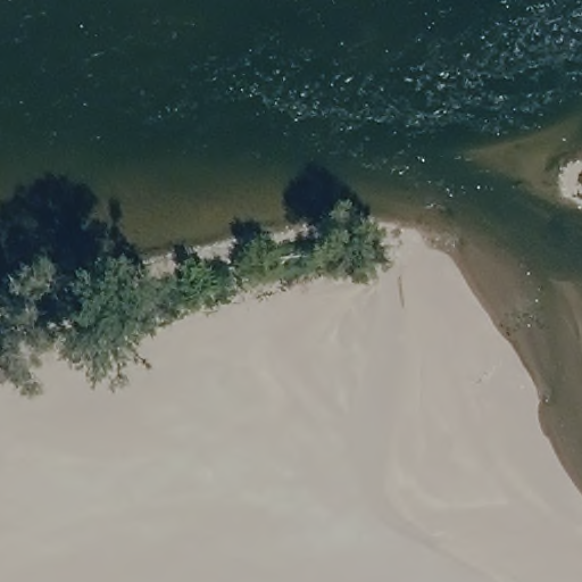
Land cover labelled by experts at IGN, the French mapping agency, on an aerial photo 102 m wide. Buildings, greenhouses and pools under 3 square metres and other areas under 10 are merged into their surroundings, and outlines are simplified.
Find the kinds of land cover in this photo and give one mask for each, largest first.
<instances>
[{"label":"water","instance_id":"1","mask_svg":"<svg viewBox=\"0 0 582 582\"><path fill-rule=\"evenodd\" d=\"M571 161H582V0H0V305L5 302V293L11 289L9 280L23 271V266H34L39 264V259H50L55 268L59 273H66L68 268L77 273H89L100 259L127 257L132 259V264L143 261L173 252L175 243H184L189 252H196L198 246L218 243L232 236L234 241L246 239L248 243L252 239H259L261 234H273L291 230V225L296 223H307L318 230L325 227V216L332 214L336 205L343 200L352 202V209L361 218L380 221L402 223L405 227L418 230L430 248L446 252L457 264L464 280L491 316L493 325L512 343L521 364L530 373L539 391L541 430L552 443V450L559 457L564 471L582 493V207L573 205L562 196L559 175L564 166H568Z\"/></svg>","mask_w":582,"mask_h":582},{"label":"bare soil","instance_id":"2","mask_svg":"<svg viewBox=\"0 0 582 582\"><path fill-rule=\"evenodd\" d=\"M562 196L573 205L582 207V161H571L568 166H564L559 175ZM377 230L384 232L382 246L386 252V264L375 266L373 280L359 284L352 282V277L325 275L314 280H298L293 286L280 282H259L246 286L225 305L198 307L189 316L175 318L171 325L157 327L155 334H146L139 341V355H143L146 359L143 364L125 366L127 382L116 391H109V382L105 380L89 382V373L77 371L75 364L64 359L59 348L52 346L50 350L41 352L39 348H32L25 341L18 346V352L23 366L30 371L34 382H39L41 391L36 396H23L16 384L0 380V582H582V493L564 471L559 457L552 450V443L541 430L539 391L530 373L521 364L512 343L493 325L491 316L464 280L457 264L446 252L430 248L418 230L405 227L402 223L380 221ZM275 243L296 241V248L307 250L327 241L325 227L318 230L307 223H296L291 225V230L273 234ZM248 243L246 239L234 241L232 236L218 243L198 246L196 252H189L184 243H175L173 252L143 261L152 277H164L168 273H175V261H225L232 257L241 261ZM77 273L68 268L66 273H59L55 268L50 291L36 302L34 323L39 327L80 314L82 300L75 293Z\"/></svg>","mask_w":582,"mask_h":582},{"label":"deciduous trees","instance_id":"3","mask_svg":"<svg viewBox=\"0 0 582 582\"><path fill-rule=\"evenodd\" d=\"M380 221L361 218L352 209V202L343 200L336 205L332 214L325 216V227L327 241L307 250L296 248V241L275 243L273 234H261L259 239H252L248 243L241 261L232 257L225 261H175V273H168L164 277H152L143 261L132 264V259L127 257L100 259L89 273H77L75 293L82 300L80 314L39 327L34 323L36 302L50 291L55 268L50 259H39V264L34 266H23V271L9 280L11 289L5 293V302L0 305V380L16 384L23 396H36L41 391L39 382H34L30 371L23 366L18 352V346L25 341L32 348H39L41 352L50 350L52 346L59 348L64 359L75 364L77 371L89 373V382L105 380L109 382V391H116L127 382L125 366L143 364L146 359L143 355H139V341L146 334H155L157 327L171 325L175 318L189 316L198 307L225 305L246 286L259 282H280L293 286L298 280H314L325 275L352 277V282L359 284L373 280L375 266L386 264V252L382 246L384 232L377 230Z\"/></svg>","mask_w":582,"mask_h":582}]
</instances>
